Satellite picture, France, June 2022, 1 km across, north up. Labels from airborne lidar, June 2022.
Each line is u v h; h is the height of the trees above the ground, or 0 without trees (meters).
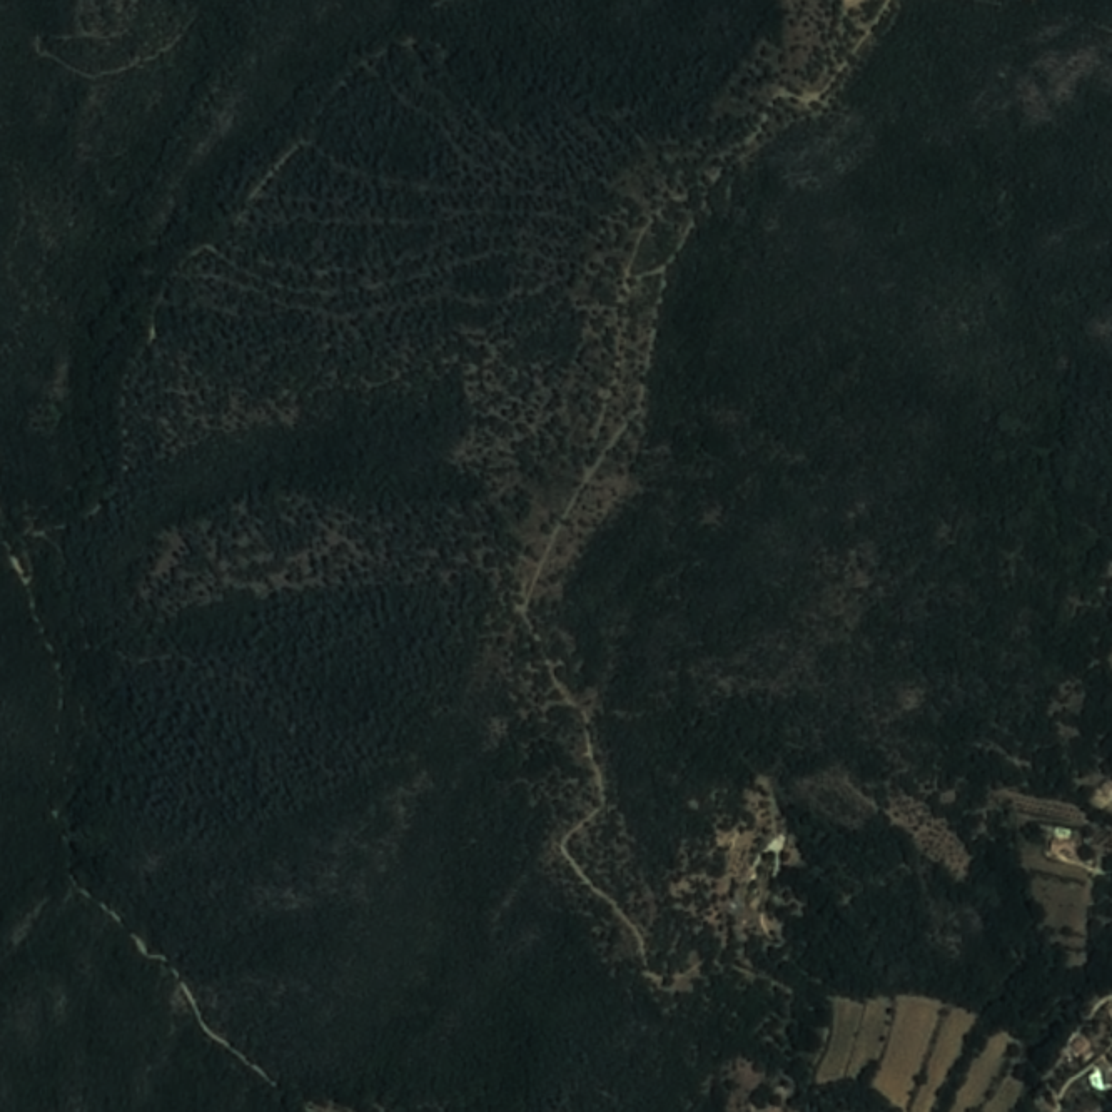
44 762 7
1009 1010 15
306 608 12
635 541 10
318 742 10
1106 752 14
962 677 7
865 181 7
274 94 7
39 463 6
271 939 8
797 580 7
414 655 8
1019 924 18
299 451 13
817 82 6
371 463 11
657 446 9
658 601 9
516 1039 17
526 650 9
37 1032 5
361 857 6
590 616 12
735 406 5
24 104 6
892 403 6
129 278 12
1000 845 10
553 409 10
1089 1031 6
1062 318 10
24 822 7
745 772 11
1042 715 10
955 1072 11
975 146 6
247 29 8
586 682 11
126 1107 7
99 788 9
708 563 7
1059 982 22
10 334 7
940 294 6
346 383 10
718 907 7
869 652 6
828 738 7
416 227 7
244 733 10
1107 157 7
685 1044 8
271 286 10
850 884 11
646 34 7
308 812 8
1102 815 18
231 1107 7
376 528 13
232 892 6
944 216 6
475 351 7
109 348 5
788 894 13
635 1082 6
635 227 8
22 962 8
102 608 7
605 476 7
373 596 13
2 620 11
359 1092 8
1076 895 0
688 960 10
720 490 9
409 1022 12
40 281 7
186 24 8
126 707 12
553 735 8
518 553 7
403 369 7
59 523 6
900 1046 0
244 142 9
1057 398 10
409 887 5
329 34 8
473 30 10
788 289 6
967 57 7
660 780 7
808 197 6
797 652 6
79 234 11
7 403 6
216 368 12
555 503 0
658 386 10
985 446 10
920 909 7
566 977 12
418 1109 8
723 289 8
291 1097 11
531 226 13
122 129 9
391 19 6
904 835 13
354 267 7
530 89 6
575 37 6
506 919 10
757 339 6
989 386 11
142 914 7
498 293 5
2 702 6
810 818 14
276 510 10
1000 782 7
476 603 8
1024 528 14
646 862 8
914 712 7
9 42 6
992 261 9
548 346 7
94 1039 13
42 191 7
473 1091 13
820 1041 17
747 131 8
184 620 7
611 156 13
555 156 14
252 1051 8
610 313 8
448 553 15
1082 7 6
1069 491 16
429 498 10
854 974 10
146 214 9
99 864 19
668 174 7
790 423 8
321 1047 7
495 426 10
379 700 10
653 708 10
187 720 16
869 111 7
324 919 7
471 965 8
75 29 6
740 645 8
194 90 13
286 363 11
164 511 12
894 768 7
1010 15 7
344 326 9
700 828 13
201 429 10
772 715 10
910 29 7
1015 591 11
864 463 7
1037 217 7
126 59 6
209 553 7
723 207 12
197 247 8
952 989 11
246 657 15
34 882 13
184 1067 7
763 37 12
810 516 7
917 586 7
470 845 9
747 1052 15
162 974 11
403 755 6
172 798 14
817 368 7
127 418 7
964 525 8
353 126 7
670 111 7
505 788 10
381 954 6
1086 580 7
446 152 11
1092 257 7
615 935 8
